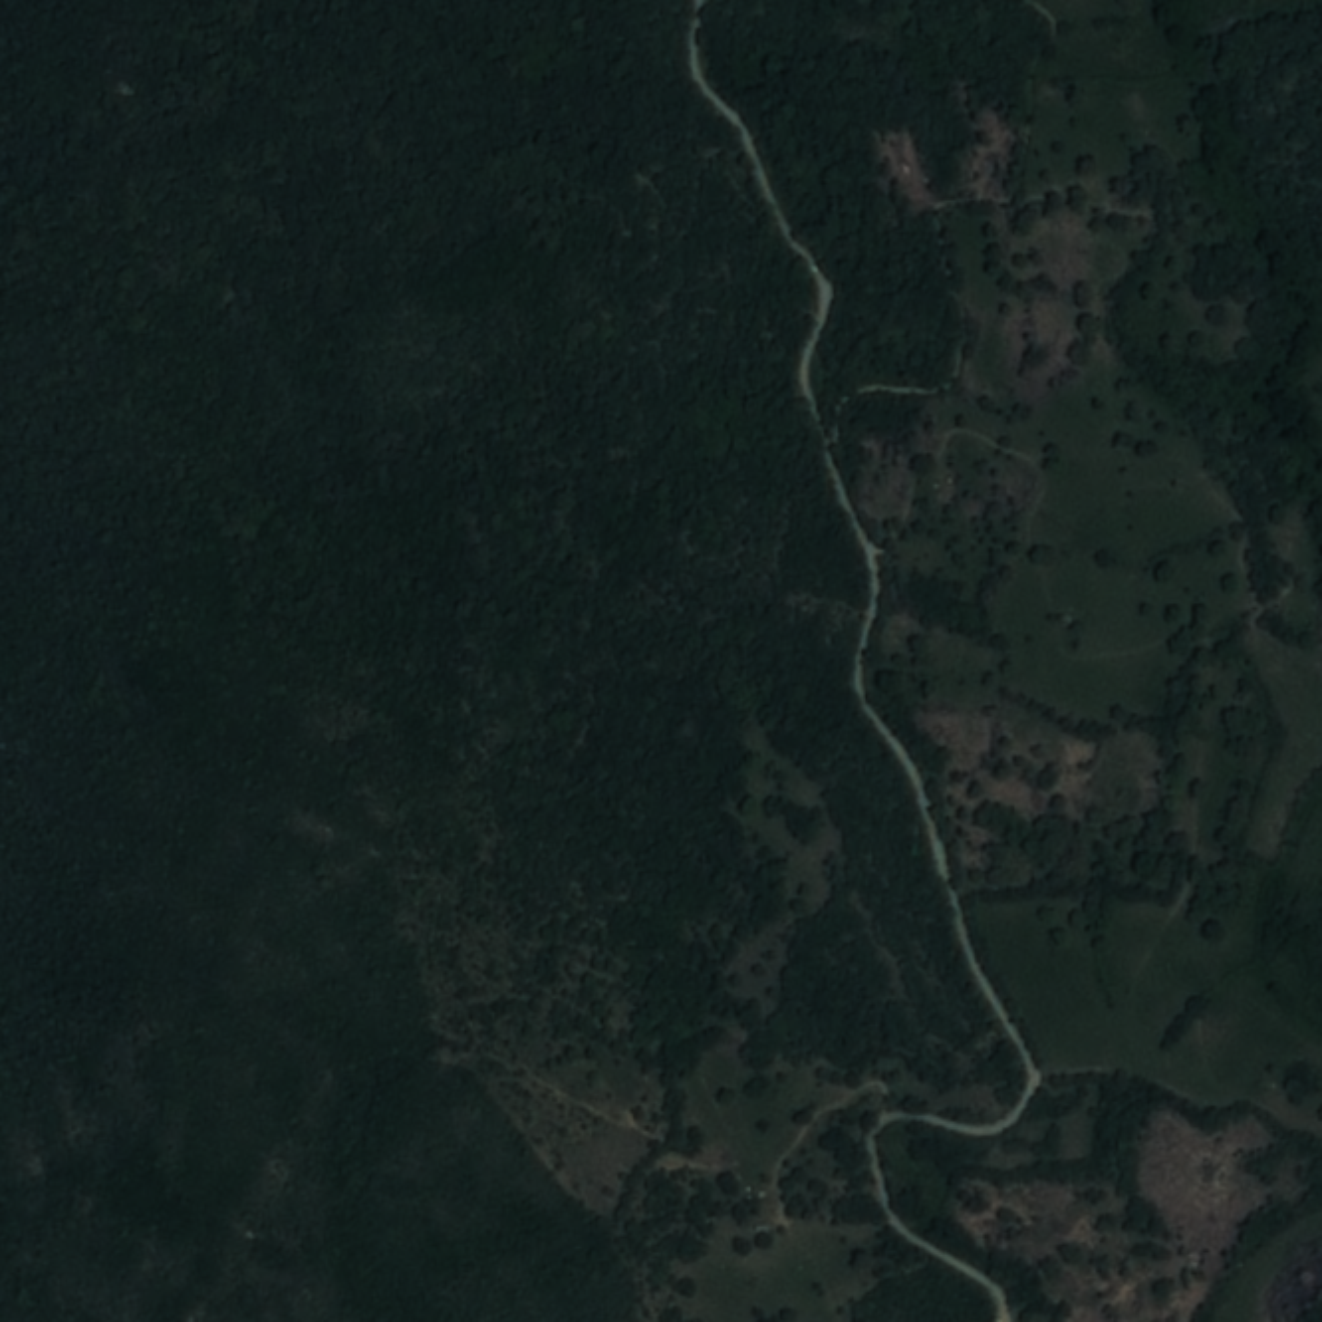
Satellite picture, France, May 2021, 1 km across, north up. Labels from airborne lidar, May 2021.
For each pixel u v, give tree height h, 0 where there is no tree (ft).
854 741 26
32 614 23
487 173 38
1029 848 48
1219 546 39
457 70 32
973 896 24
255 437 26
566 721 47
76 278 19
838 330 32
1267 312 30
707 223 27
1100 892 28
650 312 29
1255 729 41
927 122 34
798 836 33
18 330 23
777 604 27
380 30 26
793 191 41
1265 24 40
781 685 28
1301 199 39
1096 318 41
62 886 20
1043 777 23
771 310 30
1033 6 34
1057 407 0
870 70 47
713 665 27
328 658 21
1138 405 37
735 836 34
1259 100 22
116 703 23
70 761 18
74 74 36
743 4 32
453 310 21
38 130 26
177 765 20
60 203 26
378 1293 29
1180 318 0
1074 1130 0
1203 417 26
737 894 33
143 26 25
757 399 43
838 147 31
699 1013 36
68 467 19
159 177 32
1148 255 22
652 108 28
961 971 22
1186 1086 0
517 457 23
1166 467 0
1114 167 0
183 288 25
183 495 26
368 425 29
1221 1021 0
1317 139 21
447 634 21
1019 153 28
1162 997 0
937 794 25
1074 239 0
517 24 30
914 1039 20
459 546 19
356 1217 20
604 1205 0
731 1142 0
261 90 32
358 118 32
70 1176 18
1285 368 34
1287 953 18
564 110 26
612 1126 0
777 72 45
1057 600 0
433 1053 26
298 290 25
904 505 0
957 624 28
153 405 20
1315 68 24
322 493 34
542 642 25
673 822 34
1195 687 40
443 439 29
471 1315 19
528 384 27
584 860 22
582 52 22
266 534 21
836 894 22
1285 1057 0
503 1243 21
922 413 40
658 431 27
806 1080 0
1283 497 19
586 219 32
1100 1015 0
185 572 20
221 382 21
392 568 30
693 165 20
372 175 31
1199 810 0
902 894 20
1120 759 0
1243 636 19
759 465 27
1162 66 0
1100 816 45
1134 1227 29
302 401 25
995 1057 28
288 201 35
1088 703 0
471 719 23
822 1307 0
